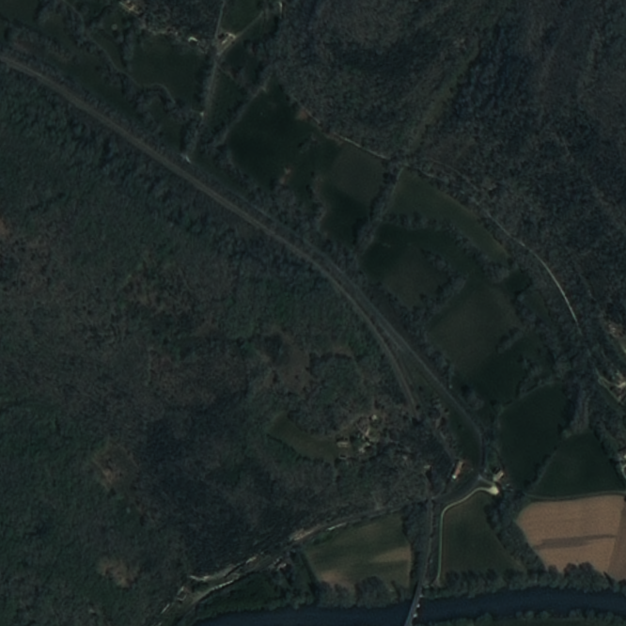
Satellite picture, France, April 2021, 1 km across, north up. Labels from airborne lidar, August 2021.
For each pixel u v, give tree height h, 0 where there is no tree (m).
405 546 0
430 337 0
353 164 0
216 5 7
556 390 0
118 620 17
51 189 15
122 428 10
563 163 11
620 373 10
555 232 13
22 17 0
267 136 0
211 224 18
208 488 9
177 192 10
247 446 15
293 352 0
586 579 31
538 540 0
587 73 12
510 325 0
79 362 10
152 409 11
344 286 14
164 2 8
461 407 6
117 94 0
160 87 6
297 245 21
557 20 10
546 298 15
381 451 7
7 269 11
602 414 15
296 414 12
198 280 13
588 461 0
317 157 0
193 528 11
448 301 10
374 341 18
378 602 36
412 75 12
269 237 10
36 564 22
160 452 8
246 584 16
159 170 20
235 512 10
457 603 0
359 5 11
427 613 0
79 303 10
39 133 15
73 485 20
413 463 13
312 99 15
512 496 19
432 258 16
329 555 0
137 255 17
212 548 10
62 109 23
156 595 19
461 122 10
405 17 11
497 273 20
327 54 11
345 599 32
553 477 0
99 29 7
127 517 17
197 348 10
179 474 9
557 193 9
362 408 20
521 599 0
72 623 21
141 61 0
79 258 15
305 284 22
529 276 18
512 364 0
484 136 8
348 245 0
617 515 0
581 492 0
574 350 11
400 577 0
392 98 9
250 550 11
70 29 13
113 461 0
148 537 14
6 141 14
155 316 9
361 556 0
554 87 11
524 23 16
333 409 16
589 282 8
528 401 0
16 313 12
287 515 9
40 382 11
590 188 13
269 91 0
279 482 13
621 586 11
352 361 11
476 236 0
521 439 0
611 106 13
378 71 10
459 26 10
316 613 0
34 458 19
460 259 0
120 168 14
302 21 13
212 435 9
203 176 16
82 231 18
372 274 0
